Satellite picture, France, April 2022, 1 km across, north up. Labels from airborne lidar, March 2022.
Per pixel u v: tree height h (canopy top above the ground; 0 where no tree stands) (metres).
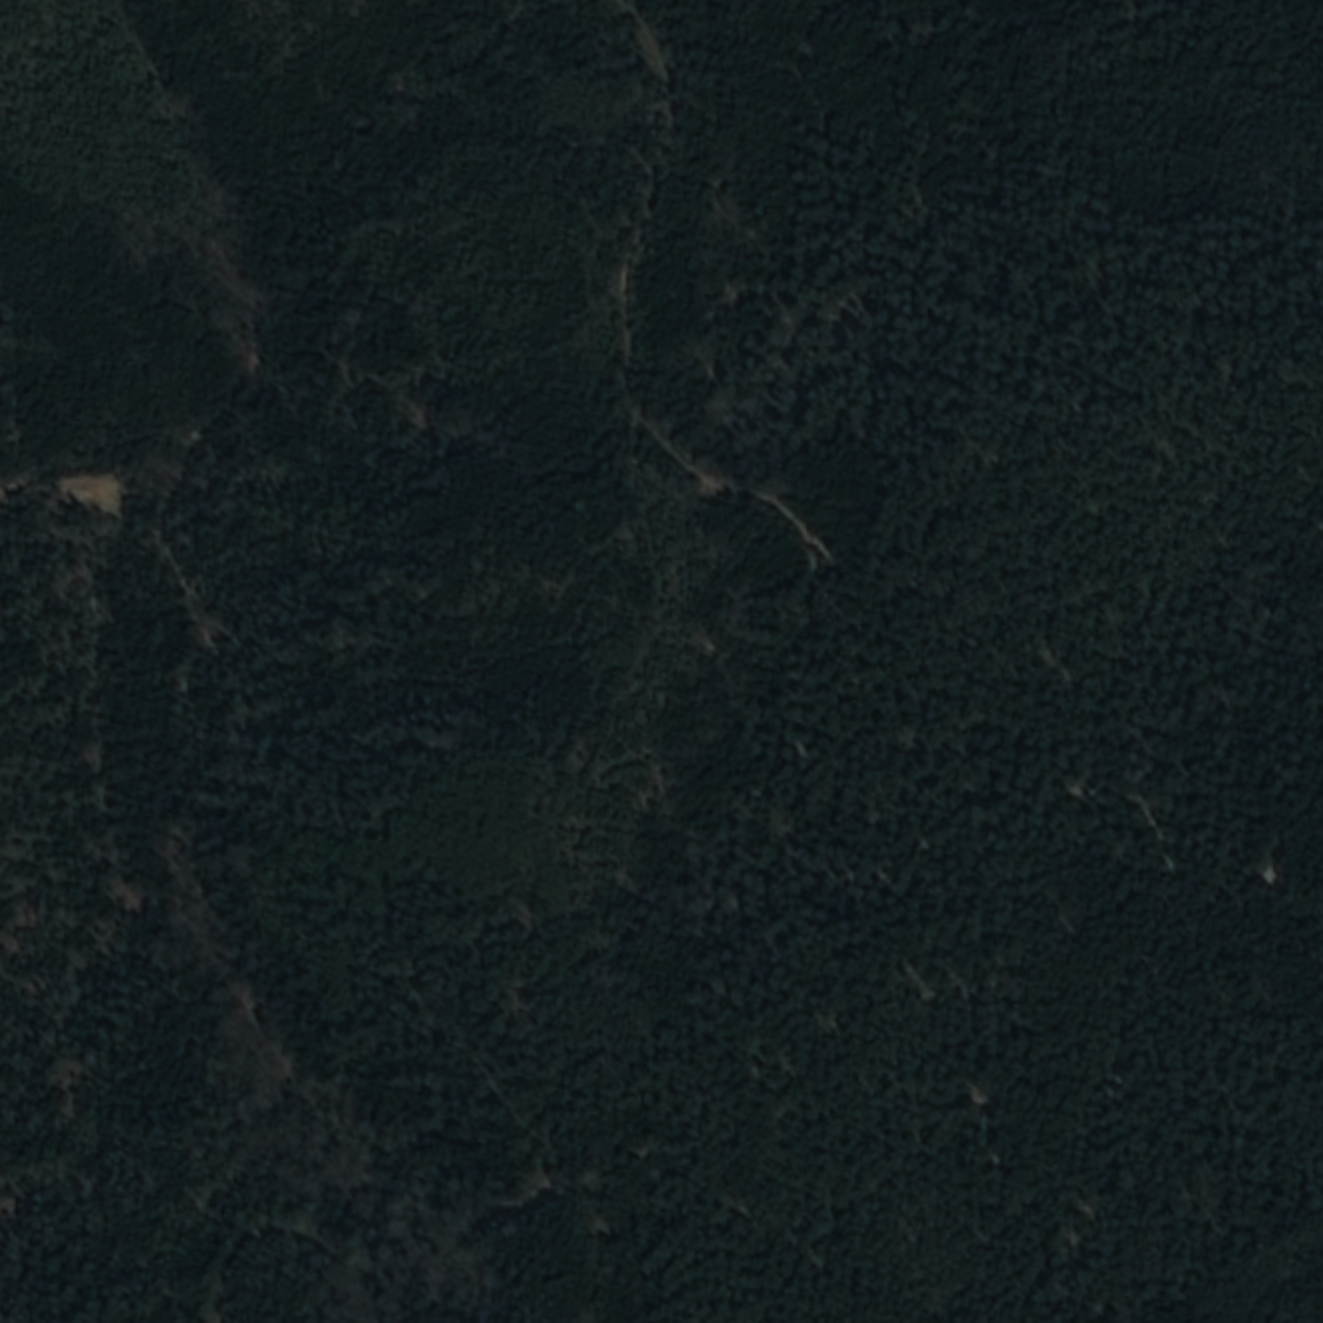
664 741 12
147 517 8
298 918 12
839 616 27
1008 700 28
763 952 23
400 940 25
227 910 11
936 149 11
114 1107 9
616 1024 18
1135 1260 29
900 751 10
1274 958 25
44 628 15
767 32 16
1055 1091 28
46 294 17
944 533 28
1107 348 28
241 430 15
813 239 7
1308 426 21
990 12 13
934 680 26
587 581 7
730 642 15
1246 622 33
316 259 14
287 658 34
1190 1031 31
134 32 18
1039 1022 29
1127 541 10
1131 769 23
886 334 21
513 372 7
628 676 12
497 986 17
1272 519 28
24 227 13
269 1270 10
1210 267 32
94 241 17
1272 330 26
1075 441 25
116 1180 26
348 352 16
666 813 15
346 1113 14
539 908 9
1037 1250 28
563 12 11
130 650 11
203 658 8
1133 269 25
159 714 9
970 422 31
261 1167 12
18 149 19
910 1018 27
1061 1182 25
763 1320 34
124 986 21
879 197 7
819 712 32
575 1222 22
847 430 13
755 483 22
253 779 25
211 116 15
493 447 20
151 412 14
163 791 12
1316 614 26
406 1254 24
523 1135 13
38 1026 9
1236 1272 16
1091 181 20
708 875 17
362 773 26
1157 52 21
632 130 10
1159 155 19
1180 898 27
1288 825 17
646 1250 28
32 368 11
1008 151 25
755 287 20
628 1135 17
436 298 12
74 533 16
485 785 12
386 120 14
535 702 14
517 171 9
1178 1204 28
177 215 19
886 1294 26
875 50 7
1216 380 29
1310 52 17
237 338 23
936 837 25
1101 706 28
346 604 26
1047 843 24
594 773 9
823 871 38
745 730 17
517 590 11
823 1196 27
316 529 16
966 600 28
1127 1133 30
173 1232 12
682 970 19
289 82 9
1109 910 27
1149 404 28
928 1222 24
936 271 31
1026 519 25
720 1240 29
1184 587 25
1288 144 25
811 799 23
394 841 14
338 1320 20
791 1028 26
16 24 17
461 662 6
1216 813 11
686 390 23
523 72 13
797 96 14
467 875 13
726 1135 25
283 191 19
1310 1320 21
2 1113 12
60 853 10
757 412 24
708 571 12
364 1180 16
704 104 20
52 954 9
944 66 15
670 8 20
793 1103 26
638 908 21
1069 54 27
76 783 9
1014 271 30
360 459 9
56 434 11
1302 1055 28
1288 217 24
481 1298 16
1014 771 30
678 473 11
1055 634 26
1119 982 32
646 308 14
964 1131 25
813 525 11
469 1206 18
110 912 15
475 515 11
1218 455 8
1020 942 28
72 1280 17
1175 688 31
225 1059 12
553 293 9
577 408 11
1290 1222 17
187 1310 10
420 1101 14
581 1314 17
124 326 17
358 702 10
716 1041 6
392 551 7
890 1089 10
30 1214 15
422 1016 20
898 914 29
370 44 10
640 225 17
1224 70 25
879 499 11
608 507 16
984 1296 15
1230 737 22
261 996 18
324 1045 12
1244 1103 31
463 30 11
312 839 13
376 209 8
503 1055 16
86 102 19
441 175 11
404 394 11
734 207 14
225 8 8
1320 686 21
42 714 15
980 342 26
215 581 13
